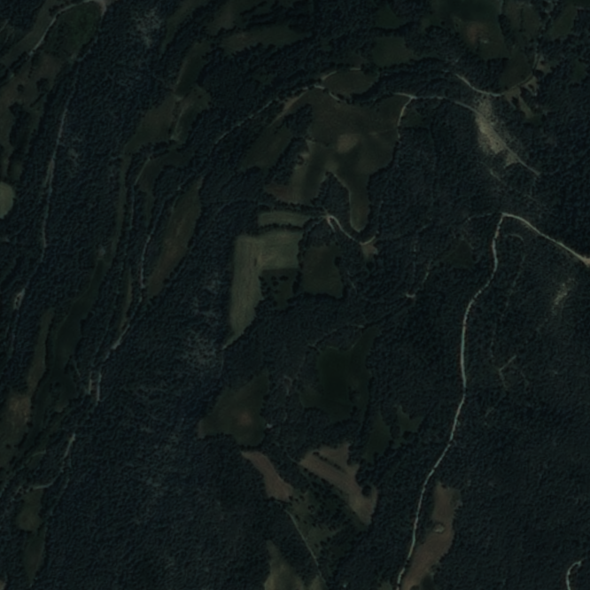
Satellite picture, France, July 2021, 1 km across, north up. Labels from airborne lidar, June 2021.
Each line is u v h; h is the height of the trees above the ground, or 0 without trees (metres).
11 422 0
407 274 9
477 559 8
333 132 0
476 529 8
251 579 11
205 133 13
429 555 0
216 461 11
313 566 10
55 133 10
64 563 8
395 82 16
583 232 18
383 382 11
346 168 0
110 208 6
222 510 9
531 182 12
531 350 7
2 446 0
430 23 0
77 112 11
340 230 10
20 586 8
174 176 11
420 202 12
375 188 13
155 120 0
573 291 6
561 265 10
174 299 13
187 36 11
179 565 6
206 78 19
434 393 12
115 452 9
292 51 17
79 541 18
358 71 0
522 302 9
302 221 0
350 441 7
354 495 0
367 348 0
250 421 0
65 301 13
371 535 14
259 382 0
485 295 7
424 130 12
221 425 0
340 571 9
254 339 16
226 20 0
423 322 21
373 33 21
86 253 11
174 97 0
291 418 14
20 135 11
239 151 15
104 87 19
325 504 13
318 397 0
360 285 14
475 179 10
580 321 12
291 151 11
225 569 7
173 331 11
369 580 14
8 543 11
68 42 0
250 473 12
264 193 11
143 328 15
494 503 13
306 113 13
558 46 19
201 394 7
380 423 0
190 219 0
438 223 12
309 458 0
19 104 14
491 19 0
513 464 12
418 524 7
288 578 0
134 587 12
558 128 14
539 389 7
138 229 12
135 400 8
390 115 0
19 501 12
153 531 6
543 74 19
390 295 13
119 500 10
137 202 11
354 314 11
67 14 0
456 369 8
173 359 9
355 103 10
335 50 7
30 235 14
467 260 0
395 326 16
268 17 8
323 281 0
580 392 6
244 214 15
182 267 8
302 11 8
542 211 6
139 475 8
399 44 0
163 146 16
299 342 15
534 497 8
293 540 12
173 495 6
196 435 6
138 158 8
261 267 0
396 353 16
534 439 9
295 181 0
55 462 11
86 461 10
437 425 6
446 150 16
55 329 9
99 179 10
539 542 18
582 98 12
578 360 8
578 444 8
